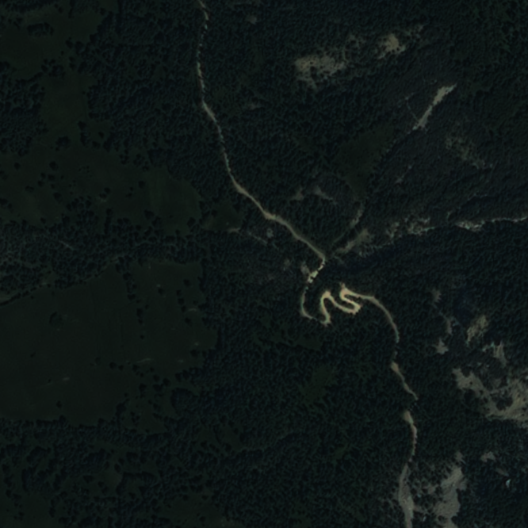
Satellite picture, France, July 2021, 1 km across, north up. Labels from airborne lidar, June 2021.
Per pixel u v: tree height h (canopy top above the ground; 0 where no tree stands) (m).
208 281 22
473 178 16
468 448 18
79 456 19
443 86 7
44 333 0
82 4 27
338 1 20
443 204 13
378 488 20
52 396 0
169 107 21
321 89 12
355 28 11
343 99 22
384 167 21
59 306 0
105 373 0
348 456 7
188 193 0
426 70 10
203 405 28
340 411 29
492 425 15
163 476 21
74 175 0
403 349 22
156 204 0
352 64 6
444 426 21
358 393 17
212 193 23
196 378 23
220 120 11
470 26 17
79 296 0
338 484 24
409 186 19
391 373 19
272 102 24
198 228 18
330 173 12
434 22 15
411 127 7
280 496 23
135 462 22
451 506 0
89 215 21
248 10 16
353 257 8
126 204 0
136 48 21
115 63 21
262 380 24
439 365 21
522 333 22
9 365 0
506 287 9
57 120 0
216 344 0
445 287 16
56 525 0
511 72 18
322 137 27
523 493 20
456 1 22
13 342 0
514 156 18
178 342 0
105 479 0
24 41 0
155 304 0
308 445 23
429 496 15
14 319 0
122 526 16
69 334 0
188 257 22
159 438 27
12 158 0
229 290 23
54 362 0
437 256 16
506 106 23
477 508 8
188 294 0
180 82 19
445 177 19
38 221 0
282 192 22
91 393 0
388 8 27
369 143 0
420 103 8
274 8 23
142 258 22
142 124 20
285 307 24
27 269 13
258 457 20
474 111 13
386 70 17
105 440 18
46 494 25
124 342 0
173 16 22
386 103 17
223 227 0
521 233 17
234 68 20
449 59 12
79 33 0
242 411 25
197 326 0
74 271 13
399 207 21
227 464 25
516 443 12
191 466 22
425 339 24
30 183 0
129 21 27
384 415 26
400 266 10
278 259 8
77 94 0
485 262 16
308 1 13
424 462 11
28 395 0
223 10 18
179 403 25
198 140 21
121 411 23
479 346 13
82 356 0
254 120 15
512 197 15
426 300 7
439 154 9
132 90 24
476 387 0
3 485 0
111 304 0
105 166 0
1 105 22
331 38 12
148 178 0
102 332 0
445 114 14
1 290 10
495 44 12
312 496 26
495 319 12
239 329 25
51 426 17
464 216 11
